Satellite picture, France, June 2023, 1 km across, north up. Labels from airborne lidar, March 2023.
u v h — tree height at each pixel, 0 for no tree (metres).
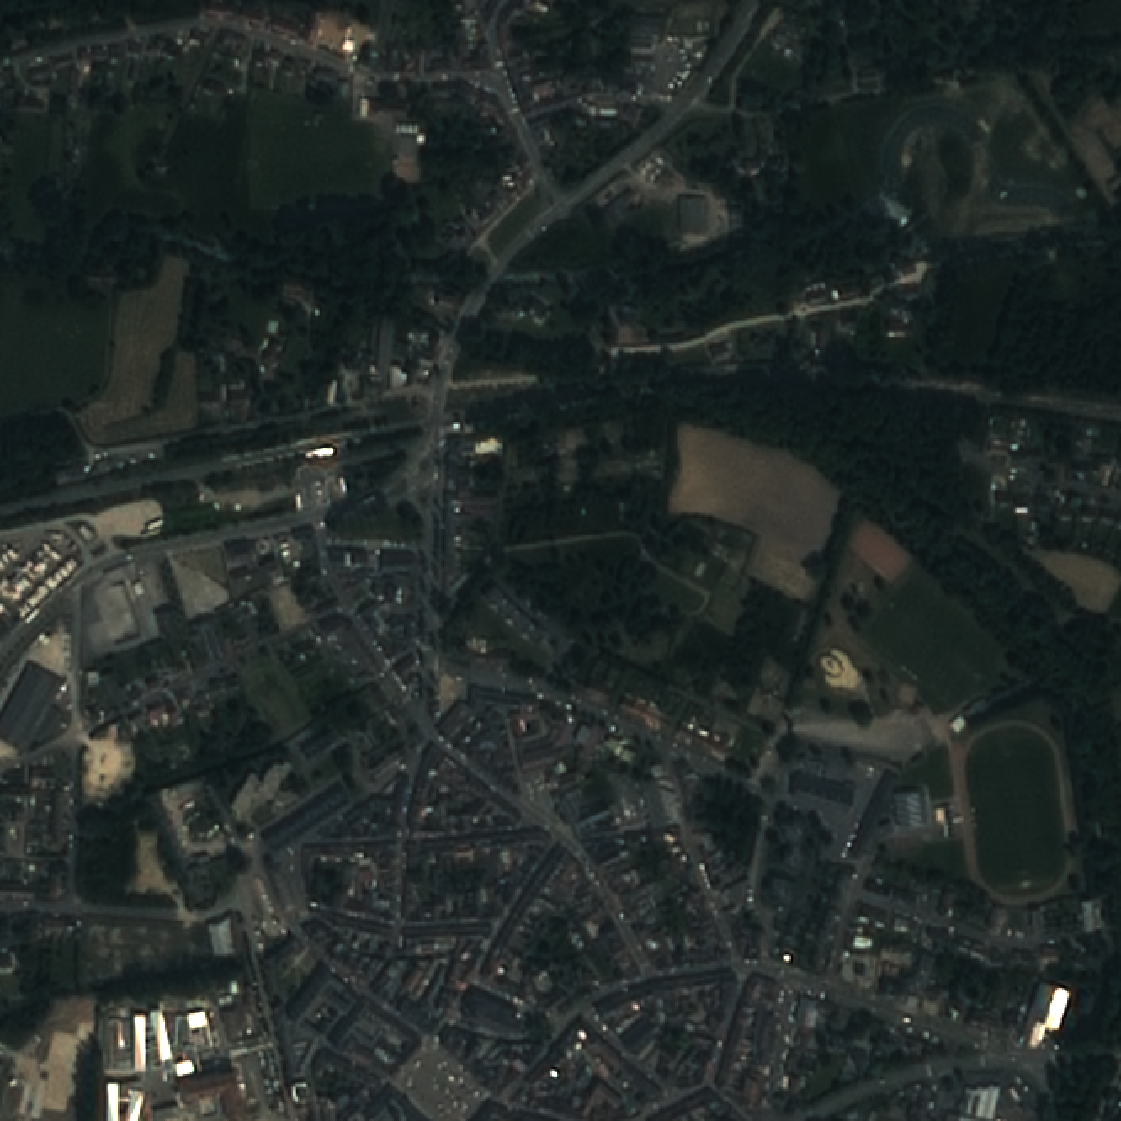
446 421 0
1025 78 9
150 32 0
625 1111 0
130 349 0
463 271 19
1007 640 9
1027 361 19
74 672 0
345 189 0
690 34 0
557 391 0
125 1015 0
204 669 0
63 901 0
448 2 9
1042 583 8
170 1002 0
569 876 0
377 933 0
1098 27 0
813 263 14
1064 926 6
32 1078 0
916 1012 0
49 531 0
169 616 0
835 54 18
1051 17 20
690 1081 0
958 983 8
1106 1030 18
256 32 0
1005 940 0
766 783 11
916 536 18
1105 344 11
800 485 0
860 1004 0
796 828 0
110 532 0
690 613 0
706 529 0
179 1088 0
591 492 12
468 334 22
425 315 8
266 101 0
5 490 7
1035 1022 0
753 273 33
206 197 0
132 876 0
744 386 23
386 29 0
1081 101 12
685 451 0
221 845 0
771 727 11
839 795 0
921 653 0
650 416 12
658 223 0
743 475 0
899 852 0
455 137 9
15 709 0
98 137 0
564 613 14
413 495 0
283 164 0
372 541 0
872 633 0
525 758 0
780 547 0
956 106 0
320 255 31
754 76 0
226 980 20
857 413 28
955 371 17
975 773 0
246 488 0
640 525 18
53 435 18
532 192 0
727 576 0
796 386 34
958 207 0
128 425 0
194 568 0
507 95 0
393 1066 0
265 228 0
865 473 27
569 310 6
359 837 0
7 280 0
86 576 0
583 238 0
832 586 7
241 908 0
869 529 0
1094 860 13
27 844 0
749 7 0
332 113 0
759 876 0
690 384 27
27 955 8
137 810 11
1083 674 27
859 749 0
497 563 22
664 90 0
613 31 13
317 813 0
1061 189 0
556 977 14
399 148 0
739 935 0
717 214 0
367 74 0
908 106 0
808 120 13
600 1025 0
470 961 0
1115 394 16
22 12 26
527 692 0
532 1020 15
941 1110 0
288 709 0
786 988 0
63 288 0
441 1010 0
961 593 14
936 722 0
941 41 11
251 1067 0
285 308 16
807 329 0
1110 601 0
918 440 26
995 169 0
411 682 0
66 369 0
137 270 12
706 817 10
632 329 0
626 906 0
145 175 11
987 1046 0
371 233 27
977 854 0
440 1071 0
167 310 0
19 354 0
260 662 0
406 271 20
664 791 0
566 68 10
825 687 0
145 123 0
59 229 30
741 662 7
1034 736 0
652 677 6
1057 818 0
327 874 8
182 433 0
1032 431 0
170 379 6
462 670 0
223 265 7
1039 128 0
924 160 0
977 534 0
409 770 0
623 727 0
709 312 8
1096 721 24
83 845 11
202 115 0
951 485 24
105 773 0
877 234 16
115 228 21
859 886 0
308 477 0
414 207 7
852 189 0
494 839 0
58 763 0
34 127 0
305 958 0
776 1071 0
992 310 0
